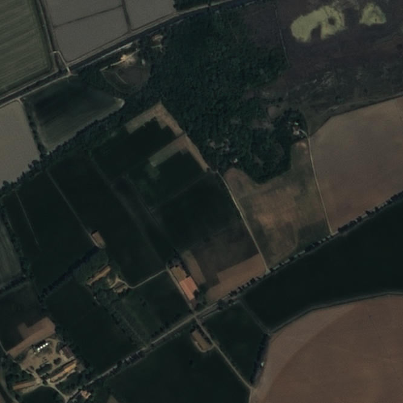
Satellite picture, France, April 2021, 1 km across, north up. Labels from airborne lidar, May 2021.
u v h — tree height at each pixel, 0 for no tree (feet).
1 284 0
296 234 0
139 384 0
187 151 0
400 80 0
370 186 0
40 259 0
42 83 25
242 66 54
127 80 0
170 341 0
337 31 0
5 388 0
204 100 83
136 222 0
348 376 0
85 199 0
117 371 52
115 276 55
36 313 0
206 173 0
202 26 46
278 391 0
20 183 48
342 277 0
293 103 0
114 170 0
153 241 0
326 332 0
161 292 0
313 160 0
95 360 0
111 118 34
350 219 0
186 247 0
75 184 0
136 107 31
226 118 51
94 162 0
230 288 0
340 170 0
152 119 0
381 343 0
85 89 0
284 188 0
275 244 0
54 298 0
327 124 0
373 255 0
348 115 0
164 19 0
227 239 0
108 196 0
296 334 0
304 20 0
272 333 0
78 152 0
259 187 0
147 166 0
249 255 0
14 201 0
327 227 0
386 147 0
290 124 44
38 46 0
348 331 0
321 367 0
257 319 0
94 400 29
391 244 0
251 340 0
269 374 0
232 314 0
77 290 0
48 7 0
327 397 0
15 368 48
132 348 0
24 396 0
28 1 0
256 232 0
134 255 0
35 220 0
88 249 0
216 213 0
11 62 0
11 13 0
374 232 0
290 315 0
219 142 47
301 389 0
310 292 0
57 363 40
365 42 0
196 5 37
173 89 38
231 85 67
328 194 0
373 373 0
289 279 0
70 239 0
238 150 61
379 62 0
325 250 0
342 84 0
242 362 0
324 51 0
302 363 0
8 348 0
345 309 0
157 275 0
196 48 52
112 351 0
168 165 0
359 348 0
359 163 0
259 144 48
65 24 0
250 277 0
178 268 0
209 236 0
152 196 0
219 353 0
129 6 0
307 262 0
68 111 0
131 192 0
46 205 0
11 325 0
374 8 0
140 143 0
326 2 0
